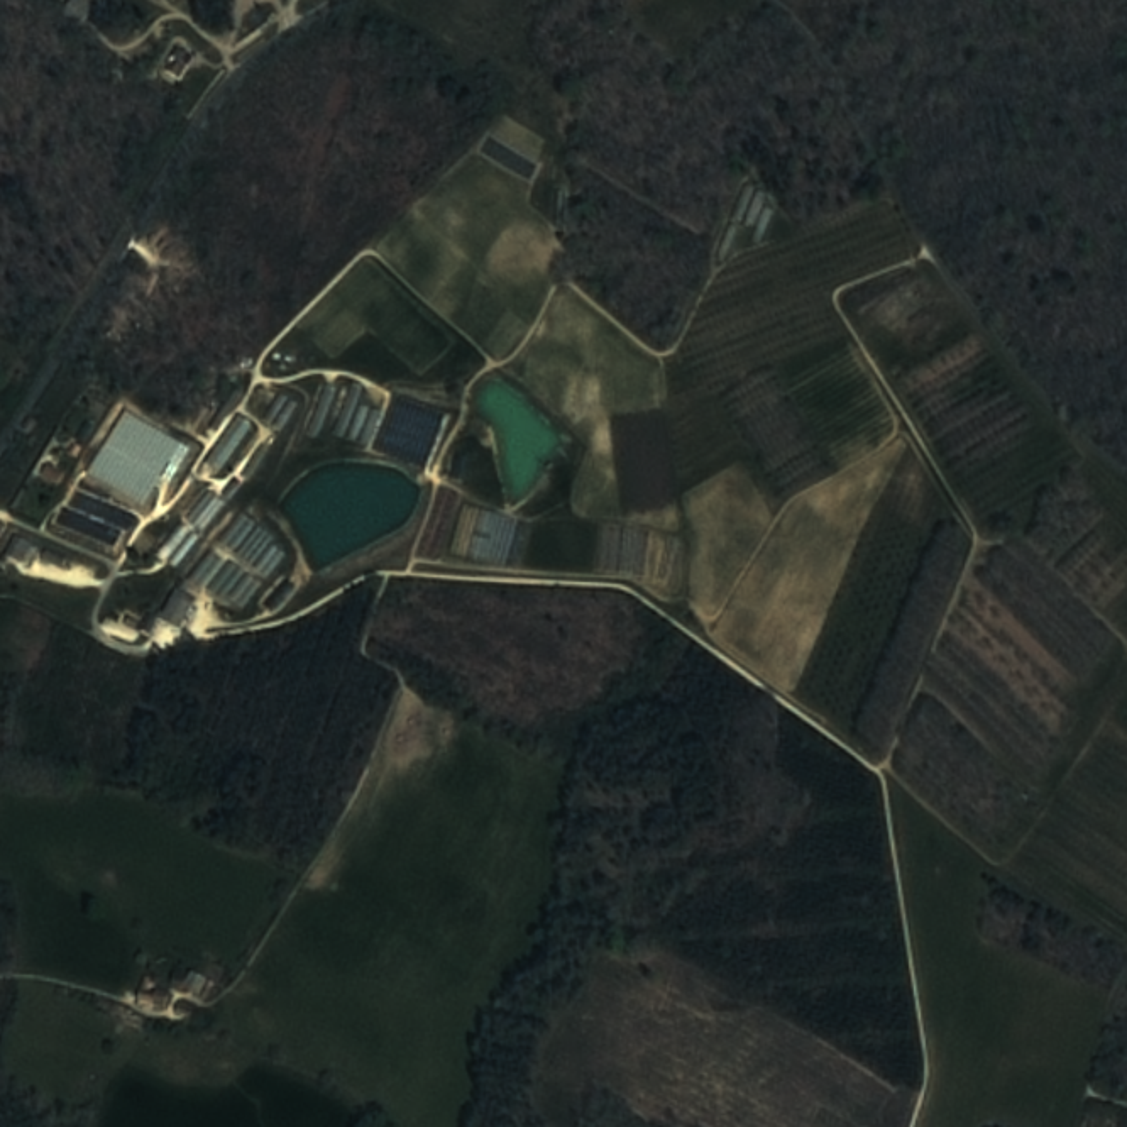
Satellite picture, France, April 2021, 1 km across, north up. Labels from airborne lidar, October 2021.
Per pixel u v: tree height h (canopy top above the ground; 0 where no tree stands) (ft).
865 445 0
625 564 0
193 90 0
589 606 36
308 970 0
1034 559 51
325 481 0
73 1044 0
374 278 0
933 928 0
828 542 0
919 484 0
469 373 0
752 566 0
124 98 48
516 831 0
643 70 59
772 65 59
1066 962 37
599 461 0
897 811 0
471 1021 0
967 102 53
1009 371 0
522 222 0
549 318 0
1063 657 56
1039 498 35
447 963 0
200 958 0
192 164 21
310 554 0
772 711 44
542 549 0
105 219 49
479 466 0
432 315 0
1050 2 55
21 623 0
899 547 19
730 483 0
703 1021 0
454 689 33
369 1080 0
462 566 0
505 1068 66
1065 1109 0
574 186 26
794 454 41
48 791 56
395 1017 0
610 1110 58
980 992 0
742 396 27
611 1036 0
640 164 58
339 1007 0
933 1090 0
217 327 51
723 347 22
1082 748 0
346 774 25
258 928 0
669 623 35
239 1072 0
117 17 68
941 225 43
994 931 42
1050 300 38
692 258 72
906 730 40
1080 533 39
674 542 0
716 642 0
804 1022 22
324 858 0
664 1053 0
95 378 43
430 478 0
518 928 0
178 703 69
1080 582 30
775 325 22
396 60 39
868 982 22
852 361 0
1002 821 31
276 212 24
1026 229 26
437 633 20
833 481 0
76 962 0
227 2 57
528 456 0
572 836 65
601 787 55
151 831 0
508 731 48
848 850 21
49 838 0
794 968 21
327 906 0
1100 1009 0
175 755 35
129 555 35
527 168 0
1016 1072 0
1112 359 60
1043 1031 0
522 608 20
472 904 0
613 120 52
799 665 0
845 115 34
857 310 0
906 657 55
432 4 0
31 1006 0
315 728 33
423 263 0
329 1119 0
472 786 0
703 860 23
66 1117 53
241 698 27
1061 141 63
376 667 25
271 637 30
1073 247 47
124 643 0
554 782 0
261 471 0
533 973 61
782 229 0
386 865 0
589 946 73
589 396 0
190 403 48
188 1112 0
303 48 21
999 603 45
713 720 35
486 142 0
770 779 40
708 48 58
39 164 50
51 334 44
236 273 34
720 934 23
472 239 0
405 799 0
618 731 78
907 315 0
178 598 0
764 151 71
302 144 21
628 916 69
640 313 45
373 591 37
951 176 72
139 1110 0
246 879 0
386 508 0
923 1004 0
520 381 0
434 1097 0
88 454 0
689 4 0
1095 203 52
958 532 42
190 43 0
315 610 0
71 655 0
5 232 35
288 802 31
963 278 47
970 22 54
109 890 0
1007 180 66
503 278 0
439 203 0
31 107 55
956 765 50
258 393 0
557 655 24
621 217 47
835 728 0
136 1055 0
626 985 0
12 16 41
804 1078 0
